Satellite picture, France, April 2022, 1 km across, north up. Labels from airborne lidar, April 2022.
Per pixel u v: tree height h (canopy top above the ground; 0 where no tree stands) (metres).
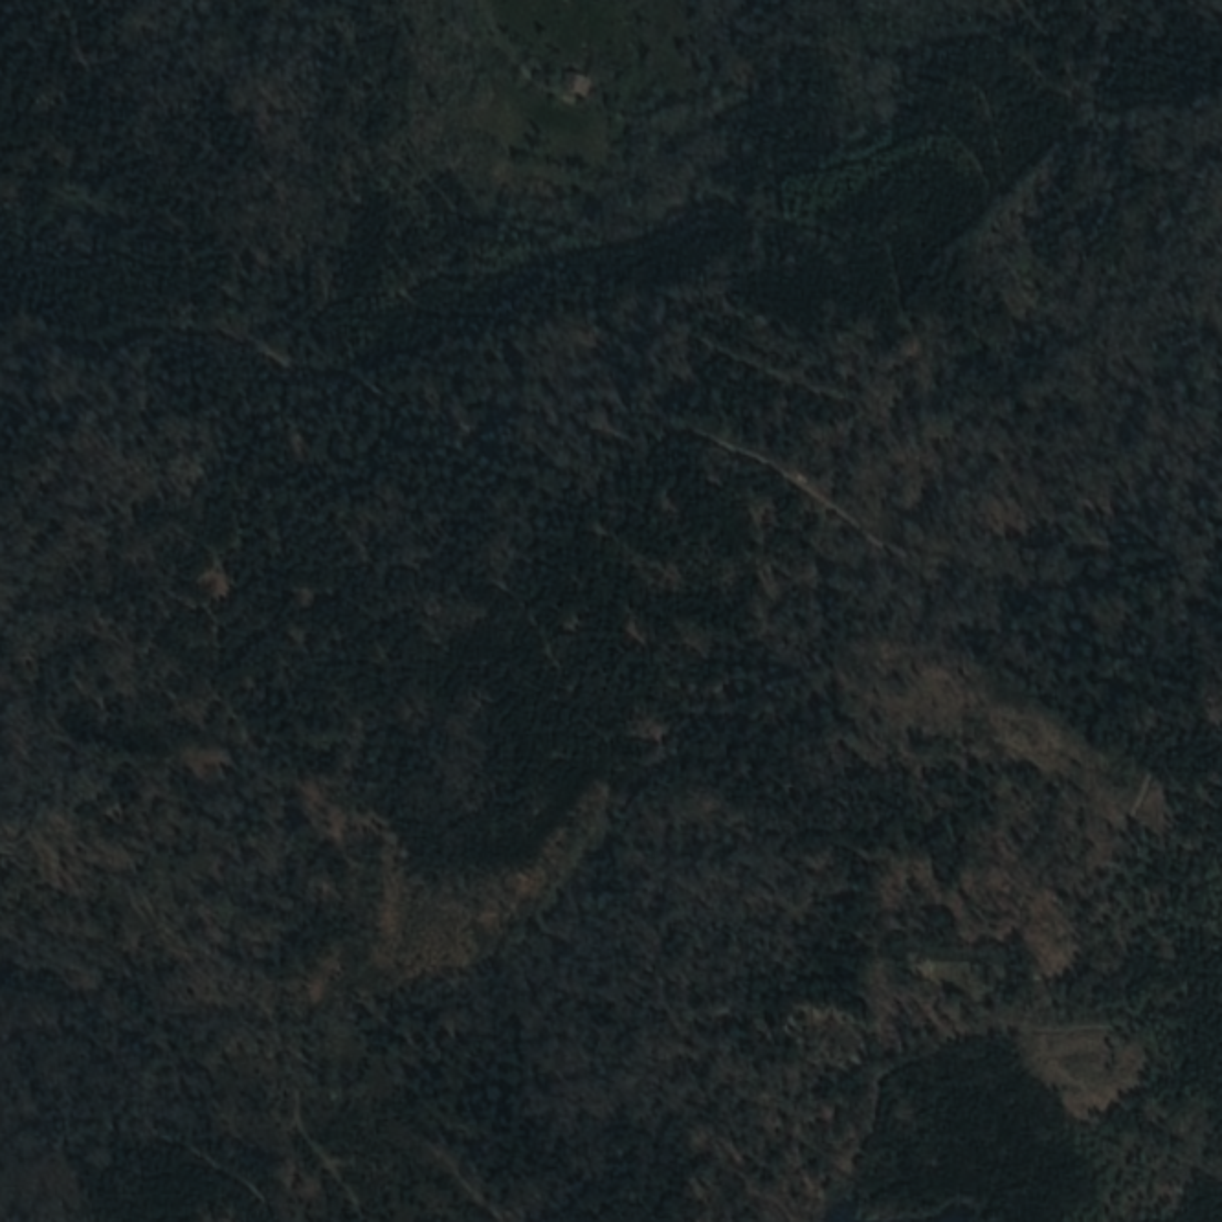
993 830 23
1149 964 18
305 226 20
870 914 18
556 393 12
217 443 10
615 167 7
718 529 8
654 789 15
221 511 18
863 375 17
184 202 12
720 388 9
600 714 16
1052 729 0
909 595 35
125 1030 22
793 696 24
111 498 6
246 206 16
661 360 31
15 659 12
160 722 20
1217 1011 20
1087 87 19
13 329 24
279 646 24
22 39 23
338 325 14
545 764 15
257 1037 25
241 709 9
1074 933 19
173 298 20
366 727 24
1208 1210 12
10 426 21
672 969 26
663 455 14
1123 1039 16
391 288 14
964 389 23
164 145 18
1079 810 24
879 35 14
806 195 19
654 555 11
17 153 13
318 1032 25
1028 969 26
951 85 12
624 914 19
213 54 25
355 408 33
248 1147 22
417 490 15
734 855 8
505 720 7
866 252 11
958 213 14
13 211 16
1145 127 30
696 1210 21
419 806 15
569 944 33
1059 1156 12
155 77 14
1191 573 25
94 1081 22
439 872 14
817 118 12
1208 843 17
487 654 12
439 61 8
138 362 16
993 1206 11
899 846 16
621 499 7
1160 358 37
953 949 16
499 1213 24
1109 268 36
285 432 6
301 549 22
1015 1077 9
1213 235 33
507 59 9
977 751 21
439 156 11
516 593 19
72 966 27
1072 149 24
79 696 23
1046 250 27
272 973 18
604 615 15
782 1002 11
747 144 14
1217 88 20
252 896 14
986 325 26
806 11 14
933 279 18
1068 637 30
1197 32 18
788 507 9
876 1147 11
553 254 10
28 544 26
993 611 30
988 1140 8
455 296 11
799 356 41
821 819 15
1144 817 0
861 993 29
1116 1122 20
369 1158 6
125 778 9
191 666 13
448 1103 32
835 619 26
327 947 12
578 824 11
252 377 21
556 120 0
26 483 28
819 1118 15
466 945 7
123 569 17
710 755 20
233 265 21
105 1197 11
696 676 14
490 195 7
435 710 13
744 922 25
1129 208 29
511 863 11
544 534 22
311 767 10
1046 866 21
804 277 12
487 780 12
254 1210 9
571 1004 15
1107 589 11
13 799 29
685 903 27
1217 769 17
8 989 19
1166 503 21
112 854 32
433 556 20
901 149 16
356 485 15
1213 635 26
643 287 10
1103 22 21
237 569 18
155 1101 18
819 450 8
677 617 9
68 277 18
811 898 23
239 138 17
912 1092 16
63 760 28
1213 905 12
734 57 19
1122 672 27
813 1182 21
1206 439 27
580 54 0
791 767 14
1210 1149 15
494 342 35
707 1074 9
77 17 10
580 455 24
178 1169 9
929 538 29
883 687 18
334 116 17
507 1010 25
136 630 11
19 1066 20
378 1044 27
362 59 8
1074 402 11
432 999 26
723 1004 20
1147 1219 16
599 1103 24
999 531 34
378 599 17
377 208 18
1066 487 14
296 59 17
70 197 25
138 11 17
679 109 19
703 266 9
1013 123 14
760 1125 20
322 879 12
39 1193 14
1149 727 20
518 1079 28
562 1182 23
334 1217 8
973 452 34
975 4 14
